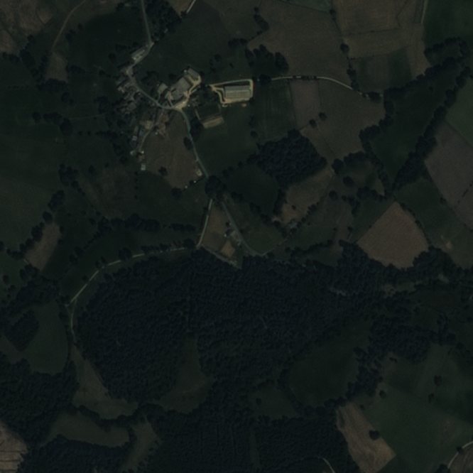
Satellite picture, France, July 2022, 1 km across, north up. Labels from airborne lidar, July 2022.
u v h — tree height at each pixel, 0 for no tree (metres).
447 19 0
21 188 0
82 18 0
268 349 18
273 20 0
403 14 0
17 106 0
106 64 0
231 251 0
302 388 0
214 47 0
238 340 11
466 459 0
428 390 0
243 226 0
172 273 8
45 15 0
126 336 22
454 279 17
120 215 0
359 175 0
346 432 0
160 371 12
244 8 0
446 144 0
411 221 0
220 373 14
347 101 0
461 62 15
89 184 0
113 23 0
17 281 0
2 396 20
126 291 13
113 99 0
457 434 0
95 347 8
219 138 0
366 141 15
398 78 0
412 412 0
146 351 16
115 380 10
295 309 25
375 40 0
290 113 0
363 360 19
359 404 0
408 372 0
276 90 0
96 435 0
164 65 0
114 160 0
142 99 6
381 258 0
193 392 0
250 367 22
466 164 0
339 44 0
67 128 25
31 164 0
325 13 0
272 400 0
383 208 0
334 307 17
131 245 0
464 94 0
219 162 0
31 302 9
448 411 0
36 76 17
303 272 13
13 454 0
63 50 0
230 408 8
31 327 12
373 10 0
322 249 9
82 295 0
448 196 0
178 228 20
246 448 17
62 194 19
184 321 20
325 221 0
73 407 13
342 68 0
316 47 0
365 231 0
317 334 15
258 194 0
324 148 0
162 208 0
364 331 0
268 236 0
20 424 13
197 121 8
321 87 0
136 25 0
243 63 0
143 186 0
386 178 23
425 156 21
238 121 0
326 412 22
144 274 19
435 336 22
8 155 0
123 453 26
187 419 15
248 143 0
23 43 0
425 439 0
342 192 0
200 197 0
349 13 0
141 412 13
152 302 18
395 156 0
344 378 0
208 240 0
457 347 11
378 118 0
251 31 0
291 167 21
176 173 0
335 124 0
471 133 0
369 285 35
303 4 0
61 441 18
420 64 0
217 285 25
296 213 0
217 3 0
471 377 0
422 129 0
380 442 0
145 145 0
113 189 0
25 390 18
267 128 0
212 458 16
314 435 9
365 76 0
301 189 0
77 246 0
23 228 0
